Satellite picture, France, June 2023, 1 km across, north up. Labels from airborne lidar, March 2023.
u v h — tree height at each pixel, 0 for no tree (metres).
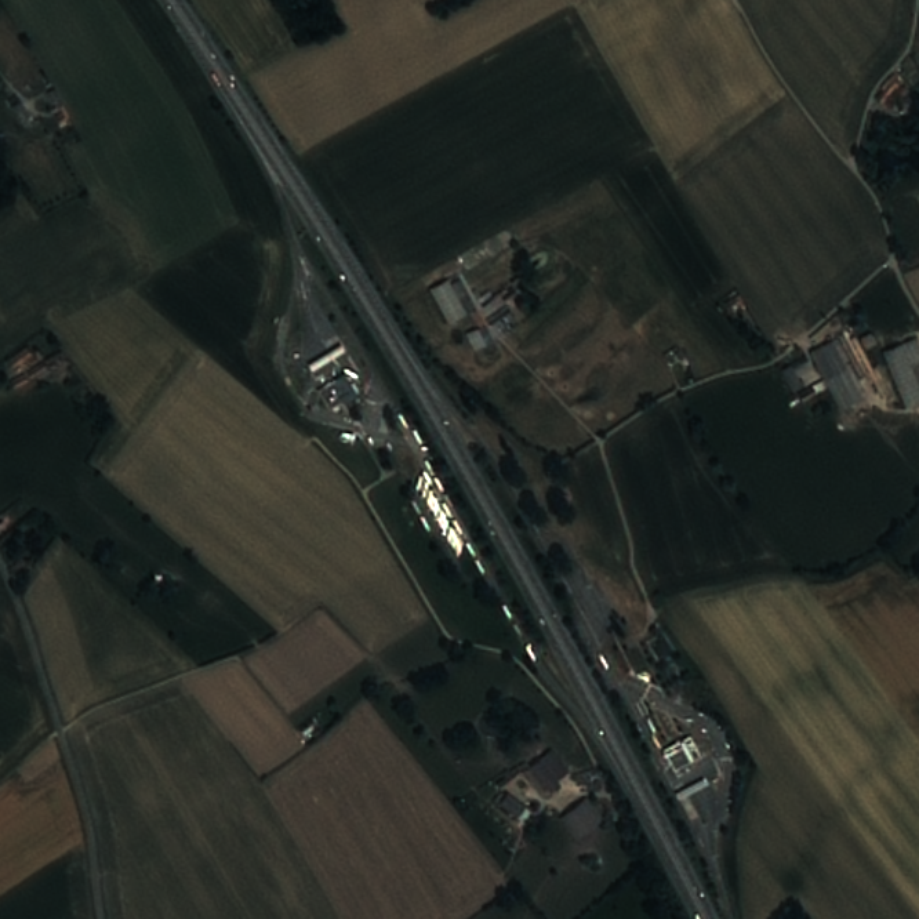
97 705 0
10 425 0
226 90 0
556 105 0
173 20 0
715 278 0
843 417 0
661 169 0
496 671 0
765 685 0
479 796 0
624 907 0
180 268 0
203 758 0
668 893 24
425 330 0
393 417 12
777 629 0
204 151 0
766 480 0
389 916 0
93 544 0
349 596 0
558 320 0
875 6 0
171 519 0
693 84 0
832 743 0
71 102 0
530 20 0
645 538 0
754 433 0
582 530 0
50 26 0
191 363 0
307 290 0
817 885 0
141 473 0
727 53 0
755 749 0
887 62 0
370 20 0
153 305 0
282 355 0
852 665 0
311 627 0
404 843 0
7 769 0
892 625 0
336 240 0
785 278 0
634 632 0
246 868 0
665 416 0
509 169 0
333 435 0
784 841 0
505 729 16
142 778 0
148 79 0
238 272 0
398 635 0
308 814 0
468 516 0
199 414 0
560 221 0
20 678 0
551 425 0
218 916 0
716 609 0
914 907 0
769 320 0
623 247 0
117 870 0
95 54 0
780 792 0
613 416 0
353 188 0
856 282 0
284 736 0
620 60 0
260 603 0
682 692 0
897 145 12
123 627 0
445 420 0
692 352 0
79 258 0
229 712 0
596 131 0
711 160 0
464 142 0
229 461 0
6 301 0
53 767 0
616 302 0
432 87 0
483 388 0
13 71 0
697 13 0
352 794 0
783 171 0
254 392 0
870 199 0
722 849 0
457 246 0
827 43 0
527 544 0
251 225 0
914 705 0
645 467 0
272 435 0
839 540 0
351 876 0
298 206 0
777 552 0
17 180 12
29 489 0
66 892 0
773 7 0
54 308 0
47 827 0
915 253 0
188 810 0
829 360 0
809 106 0
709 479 0
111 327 0
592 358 0
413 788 0
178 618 0
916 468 0
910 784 0
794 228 0
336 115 0
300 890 0
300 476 0
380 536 0
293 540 0
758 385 0
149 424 0
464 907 0
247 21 0
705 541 0
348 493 0
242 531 0
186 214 0
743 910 0
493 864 0
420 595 0
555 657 0
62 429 0
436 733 0
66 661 0
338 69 0
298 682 0
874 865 0
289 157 0
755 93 0
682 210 0
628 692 0
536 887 0
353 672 0
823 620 0
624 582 0
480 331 0
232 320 0
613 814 0
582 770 0
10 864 0
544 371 0
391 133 0
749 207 0
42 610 0
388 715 0
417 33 0
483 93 0
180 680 0
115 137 0
